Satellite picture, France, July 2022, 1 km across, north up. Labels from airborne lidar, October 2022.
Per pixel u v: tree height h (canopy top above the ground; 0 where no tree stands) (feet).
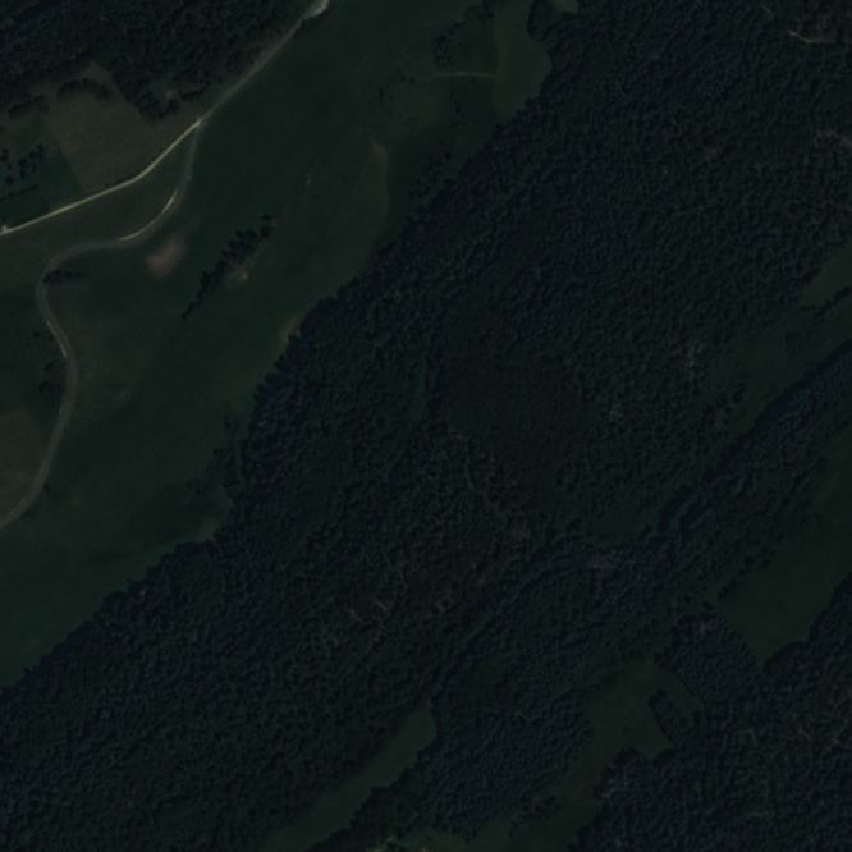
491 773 80
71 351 0
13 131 0
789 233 37
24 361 0
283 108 0
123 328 0
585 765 0
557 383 70
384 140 0
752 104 62
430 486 38
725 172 36
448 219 100
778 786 90
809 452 32
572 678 46
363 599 61
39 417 0
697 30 93
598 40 84
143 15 76
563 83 66
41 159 59
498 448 77
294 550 96
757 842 88
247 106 0
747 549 24
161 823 70
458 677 73
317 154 0
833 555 0
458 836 94
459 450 64
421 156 0
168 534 0
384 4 0
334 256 0
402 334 82
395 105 0
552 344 91
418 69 0
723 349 20
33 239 0
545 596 92
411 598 59
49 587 0
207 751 67
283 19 22
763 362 0
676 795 77
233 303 0
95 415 0
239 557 77
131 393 0
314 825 0
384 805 83
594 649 68
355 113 0
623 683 0
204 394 0
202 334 0
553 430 69
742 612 0
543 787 82
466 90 0
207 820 67
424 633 32
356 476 91
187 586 116
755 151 69
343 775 62
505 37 0
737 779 84
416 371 48
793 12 69
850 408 43
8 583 0
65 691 100
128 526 0
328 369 106
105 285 0
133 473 0
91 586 0
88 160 0
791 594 0
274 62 0
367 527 44
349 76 0
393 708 61
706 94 73
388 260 61
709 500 27
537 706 95
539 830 0
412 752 0
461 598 34
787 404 84
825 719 90
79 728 52
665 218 47
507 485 67
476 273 79
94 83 45
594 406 72
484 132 0
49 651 0
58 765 92
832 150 64
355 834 52
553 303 89
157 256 0
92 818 73
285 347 0
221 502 0
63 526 0
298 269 0
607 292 38
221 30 59
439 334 79
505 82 0
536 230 96
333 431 85
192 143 0
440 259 93
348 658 66
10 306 0
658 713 66
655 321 76
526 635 64
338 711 39
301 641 51
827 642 65
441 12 0
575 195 77
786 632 0
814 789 63
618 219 65
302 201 0
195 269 0
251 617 85
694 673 93
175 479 0
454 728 79
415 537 63
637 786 82
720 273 54
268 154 0
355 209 0
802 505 27
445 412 105
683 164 42
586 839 89
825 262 81
